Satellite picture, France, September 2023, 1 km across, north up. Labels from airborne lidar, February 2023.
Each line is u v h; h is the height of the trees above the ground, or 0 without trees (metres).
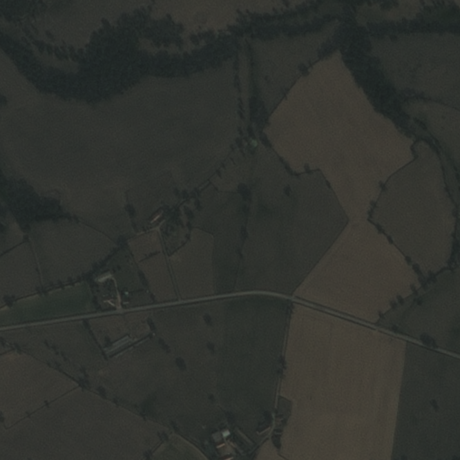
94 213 0
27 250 0
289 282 0
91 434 0
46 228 0
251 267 0
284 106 0
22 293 0
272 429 0
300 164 0
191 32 0
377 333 0
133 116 0
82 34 0
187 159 0
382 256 0
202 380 0
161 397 0
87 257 0
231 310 0
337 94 0
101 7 0
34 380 0
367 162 0
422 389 0
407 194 0
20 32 0
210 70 0
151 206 0
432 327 0
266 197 0
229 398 0
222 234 0
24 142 0
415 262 0
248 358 0
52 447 0
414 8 0
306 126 0
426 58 0
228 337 0
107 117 0
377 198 0
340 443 0
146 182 0
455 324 0
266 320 0
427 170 0
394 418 0
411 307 0
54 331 0
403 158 0
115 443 0
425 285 19
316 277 0
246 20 19
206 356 0
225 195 0
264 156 0
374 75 25
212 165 0
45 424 0
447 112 0
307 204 0
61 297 0
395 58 0
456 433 0
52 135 0
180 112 0
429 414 0
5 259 0
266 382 0
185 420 0
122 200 0
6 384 0
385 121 0
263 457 0
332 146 0
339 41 17
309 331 0
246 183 0
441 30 18
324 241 0
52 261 0
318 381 0
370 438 0
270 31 17
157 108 0
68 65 0
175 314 0
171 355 0
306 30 6
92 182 0
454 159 0
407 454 0
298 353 0
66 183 0
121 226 0
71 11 0
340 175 0
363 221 0
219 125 0
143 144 0
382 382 0
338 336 0
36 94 0
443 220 0
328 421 0
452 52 0
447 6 0
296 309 0
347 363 0
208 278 0
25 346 0
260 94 0
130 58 23
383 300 0
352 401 0
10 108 0
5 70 0
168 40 18
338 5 0
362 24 0
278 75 0
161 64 21
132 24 17
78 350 0
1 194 0
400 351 0
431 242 0
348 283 0
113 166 0
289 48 0
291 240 0
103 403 0
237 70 16
